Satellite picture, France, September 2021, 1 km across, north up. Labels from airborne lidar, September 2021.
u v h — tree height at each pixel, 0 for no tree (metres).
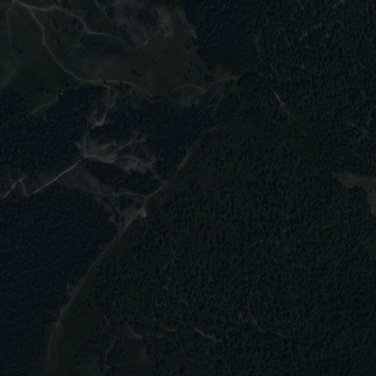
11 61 0
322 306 21
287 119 15
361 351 12
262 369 13
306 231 20
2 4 0
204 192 21
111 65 0
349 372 22
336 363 9
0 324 7
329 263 16
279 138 22
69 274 9
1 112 18
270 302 26
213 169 8
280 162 7
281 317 28
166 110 7
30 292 8
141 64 0
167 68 0
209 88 0
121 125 11
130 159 0
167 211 19
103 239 6
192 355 24
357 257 13
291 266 25
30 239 9
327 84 24
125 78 0
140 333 20
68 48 0
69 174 0
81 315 8
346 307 13
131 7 0
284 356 6
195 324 26
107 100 0
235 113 9
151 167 0
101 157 0
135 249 11
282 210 25
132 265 21
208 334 22
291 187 24
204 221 9
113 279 22
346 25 27
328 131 11
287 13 20
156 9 0
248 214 9
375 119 14
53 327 0
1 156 8
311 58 24
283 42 22
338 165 14
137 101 0
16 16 0
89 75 0
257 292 10
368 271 26
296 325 17
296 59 21
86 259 9
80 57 0
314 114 8
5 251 8
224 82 0
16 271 8
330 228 9
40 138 8
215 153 17
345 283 14
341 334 16
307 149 10
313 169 11
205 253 9
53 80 0
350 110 27
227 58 14
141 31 0
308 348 12
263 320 23
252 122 10
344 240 13
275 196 22
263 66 20
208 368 19
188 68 0
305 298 11
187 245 10
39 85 0
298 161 12
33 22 0
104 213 0
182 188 9
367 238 8
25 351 9
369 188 0
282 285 28
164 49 0
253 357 22
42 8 0
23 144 7
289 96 18
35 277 7
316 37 21
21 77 0
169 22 0
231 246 24
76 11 0
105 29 0
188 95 0
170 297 7
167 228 19
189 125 7
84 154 0
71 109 11
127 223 0
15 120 9
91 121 0
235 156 21
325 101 8
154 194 0
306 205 10
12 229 6
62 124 10
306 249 18
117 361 9
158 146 7
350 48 23
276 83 22
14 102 9
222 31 12
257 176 11
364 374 17
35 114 0
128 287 19
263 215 7
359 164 8
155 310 23
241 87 10
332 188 16
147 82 0
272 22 21
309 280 7
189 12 17
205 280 23
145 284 23
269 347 20
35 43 0
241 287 25
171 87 0
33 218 8
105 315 10
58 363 0
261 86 15
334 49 23
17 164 8
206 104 0
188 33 0
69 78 0
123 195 0
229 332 8
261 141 9
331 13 15
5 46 0
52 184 0
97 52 0
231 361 26
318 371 19
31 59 0
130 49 0
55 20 0
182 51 0
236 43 11
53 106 0
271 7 22
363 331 14
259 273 18
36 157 9
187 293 25
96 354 10
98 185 0
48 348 0
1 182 9
